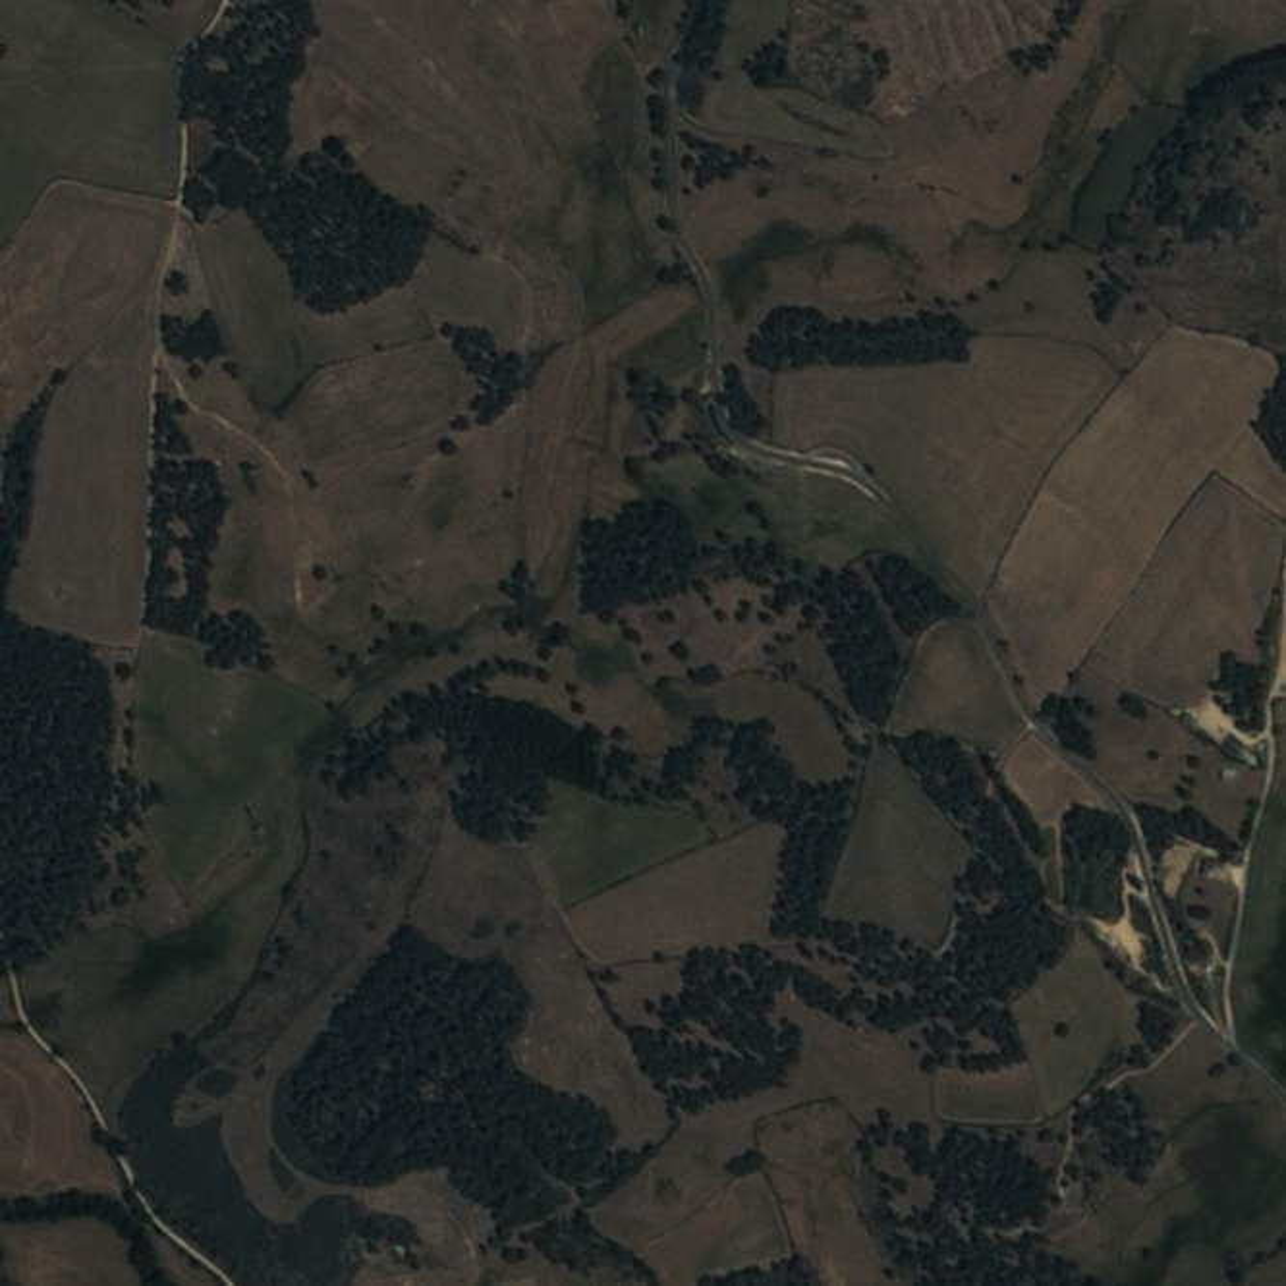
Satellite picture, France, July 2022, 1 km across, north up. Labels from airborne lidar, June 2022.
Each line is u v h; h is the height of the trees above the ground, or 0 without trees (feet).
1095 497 0
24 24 0
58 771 51
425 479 0
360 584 0
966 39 0
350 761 51
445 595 0
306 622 0
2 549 45
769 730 52
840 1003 41
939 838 0
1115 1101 45
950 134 0
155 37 0
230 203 46
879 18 0
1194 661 0
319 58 0
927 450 0
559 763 55
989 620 0
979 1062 62
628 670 0
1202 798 0
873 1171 21
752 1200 0
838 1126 0
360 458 0
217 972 0
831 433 0
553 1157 60
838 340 57
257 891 0
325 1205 0
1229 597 0
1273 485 0
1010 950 54
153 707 0
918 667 0
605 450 0
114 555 0
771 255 0
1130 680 0
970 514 0
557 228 0
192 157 0
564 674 0
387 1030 48
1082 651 0
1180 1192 0
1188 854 0
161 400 40
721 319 0
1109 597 0
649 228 0
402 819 0
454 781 0
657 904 0
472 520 0
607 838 0
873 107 0
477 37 0
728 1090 63
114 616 0
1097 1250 0
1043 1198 60
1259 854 0
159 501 26
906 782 0
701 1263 0
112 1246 0
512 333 0
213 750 0
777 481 0
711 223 0
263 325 0
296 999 0
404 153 0
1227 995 0
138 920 0
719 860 0
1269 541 0
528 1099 52
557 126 0
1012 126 0
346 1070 48
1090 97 0
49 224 0
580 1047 0
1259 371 0
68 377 26
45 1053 0
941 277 0
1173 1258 0
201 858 0
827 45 0
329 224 61
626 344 0
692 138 40
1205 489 0
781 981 52
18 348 0
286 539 0
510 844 0
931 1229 52
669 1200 0
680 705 0
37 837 44
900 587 56
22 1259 0
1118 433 0
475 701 71
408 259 44
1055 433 0
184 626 45
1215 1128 0
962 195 0
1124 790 0
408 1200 0
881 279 0
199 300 0
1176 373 0
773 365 28
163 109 0
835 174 0
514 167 0
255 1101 0
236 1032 0
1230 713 33
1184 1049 0
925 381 0
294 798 0
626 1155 38
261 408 0
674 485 0
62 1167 0
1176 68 0
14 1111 0
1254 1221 0
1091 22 0
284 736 0
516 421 0
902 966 39
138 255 0
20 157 0
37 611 0
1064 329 0
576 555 0
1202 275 0
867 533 0
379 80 0
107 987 0
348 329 0
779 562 54
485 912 0
